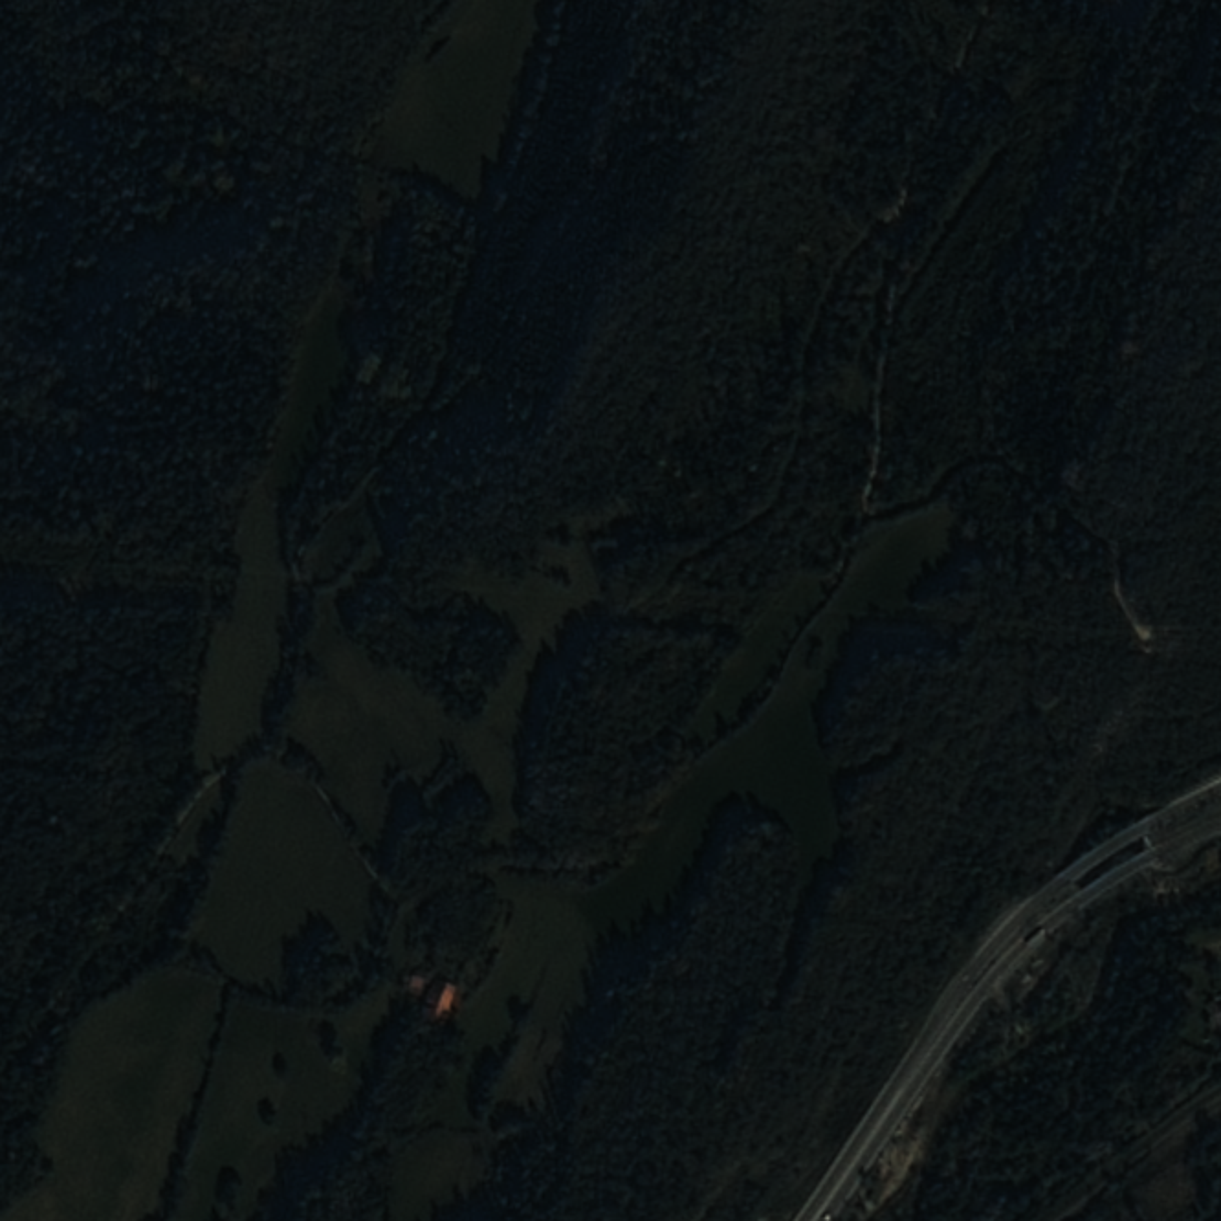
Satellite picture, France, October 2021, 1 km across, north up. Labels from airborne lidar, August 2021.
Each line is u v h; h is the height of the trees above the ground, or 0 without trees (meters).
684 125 6
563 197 15
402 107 0
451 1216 0
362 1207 19
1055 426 16
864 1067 14
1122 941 8
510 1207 17
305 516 11
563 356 13
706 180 7
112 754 19
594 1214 9
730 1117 12
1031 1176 7
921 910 16
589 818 19
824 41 13
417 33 8
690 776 18
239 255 8
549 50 11
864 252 7
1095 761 6
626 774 21
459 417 16
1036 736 20
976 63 10
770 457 15
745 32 7
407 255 22
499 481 8
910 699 12
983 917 8
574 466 17
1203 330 11
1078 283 19
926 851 6
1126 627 7
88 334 28
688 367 16
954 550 0
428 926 14
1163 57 15
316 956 14
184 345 23
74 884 21
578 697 27
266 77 15
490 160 0
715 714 0
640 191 13
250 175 18
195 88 22
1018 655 12
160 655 23
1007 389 6
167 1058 0
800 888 18
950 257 7
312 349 0
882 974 14
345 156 17
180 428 21
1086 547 18
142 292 13
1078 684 8
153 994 0
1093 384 6
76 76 18
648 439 18
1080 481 18
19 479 14
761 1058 12
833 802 0
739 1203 6
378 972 13
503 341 18
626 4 11
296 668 14
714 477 19
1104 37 21
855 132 23
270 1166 0
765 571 21
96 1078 0
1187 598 10
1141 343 12
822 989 9
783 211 17
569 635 0
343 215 17
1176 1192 0
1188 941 17
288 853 0
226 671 0
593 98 9
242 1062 0
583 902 0
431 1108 16
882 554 0
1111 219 8
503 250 20
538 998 0
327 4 8
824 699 0
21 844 19
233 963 0
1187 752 12
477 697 17
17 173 28
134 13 23
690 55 18
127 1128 0
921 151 14
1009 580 24
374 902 0
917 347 8
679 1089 14
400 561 16
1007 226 6
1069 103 18
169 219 22
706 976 10
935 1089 0
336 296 0
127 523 20
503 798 0
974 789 11
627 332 10
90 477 18
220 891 0
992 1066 9
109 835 20
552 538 11
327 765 0
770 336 9
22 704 23
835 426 8
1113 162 9
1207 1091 7
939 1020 0
